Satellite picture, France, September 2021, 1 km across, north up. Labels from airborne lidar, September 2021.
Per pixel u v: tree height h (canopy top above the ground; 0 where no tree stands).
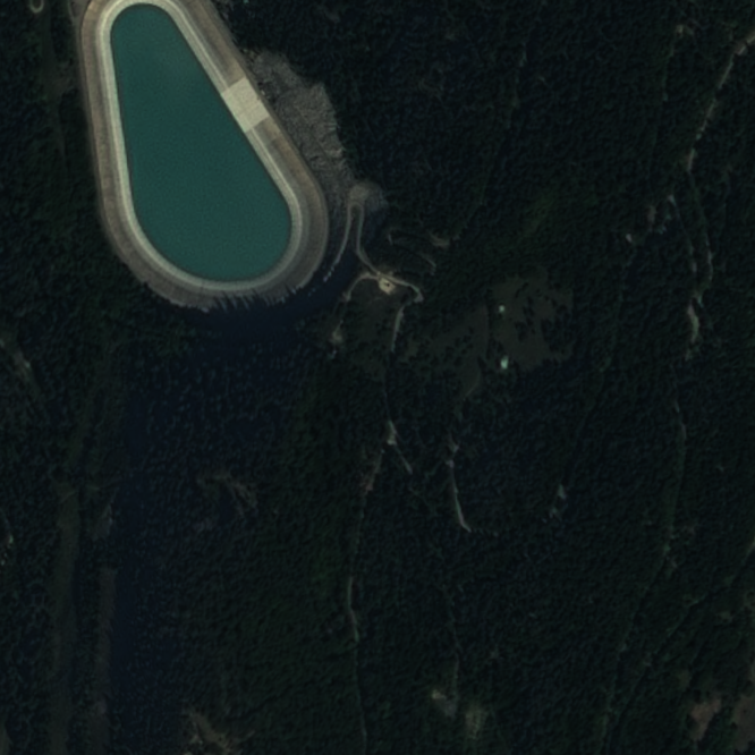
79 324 15
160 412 10
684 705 19
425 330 21
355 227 0
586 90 17
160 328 13
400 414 14
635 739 21
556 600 16
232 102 0
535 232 11
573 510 8
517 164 26
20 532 28
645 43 20
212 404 29
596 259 23
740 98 16
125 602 7
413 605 19
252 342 13
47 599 27
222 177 0
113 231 0
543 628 23
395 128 15
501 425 14
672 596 17
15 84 22
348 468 14
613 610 31
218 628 28
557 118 25
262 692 17
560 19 26
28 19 19
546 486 16
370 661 23
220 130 0
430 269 14
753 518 15
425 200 31
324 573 17
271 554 25
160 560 9
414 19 31
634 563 19
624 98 30
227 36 0
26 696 11
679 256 19
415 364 10
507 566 7
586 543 28
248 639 19
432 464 11
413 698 18
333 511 21
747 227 15
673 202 0
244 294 0
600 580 25
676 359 25
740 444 16
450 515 11
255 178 0
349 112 30
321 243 0
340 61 23
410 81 22
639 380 21
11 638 14
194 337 7
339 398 19
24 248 17
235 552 19
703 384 25
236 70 0
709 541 20
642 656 19
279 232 0
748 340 19
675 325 14
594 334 29
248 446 23
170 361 12
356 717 18
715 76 26
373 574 19
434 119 14
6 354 26
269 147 0
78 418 9
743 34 16
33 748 9
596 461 11
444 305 17
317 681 21
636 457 11
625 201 21
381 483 15
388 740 21
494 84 15
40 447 14
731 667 26
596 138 28
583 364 10
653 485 24
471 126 16
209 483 9
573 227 17
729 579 16
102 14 0
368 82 18
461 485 17
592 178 16
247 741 10
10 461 37
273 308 0
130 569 15
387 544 24
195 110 0
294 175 0
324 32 28
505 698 17
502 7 14
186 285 0
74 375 12
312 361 23
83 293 16
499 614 12
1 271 28
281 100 0
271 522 16
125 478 0
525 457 16
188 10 0
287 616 25
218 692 23
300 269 0
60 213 15
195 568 19
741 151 29
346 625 6
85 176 15
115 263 13
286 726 19
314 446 7
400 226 14
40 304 29
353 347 9
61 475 19
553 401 14
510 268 16
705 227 13
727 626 9
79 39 0
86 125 15
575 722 11
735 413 22
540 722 16
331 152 0
